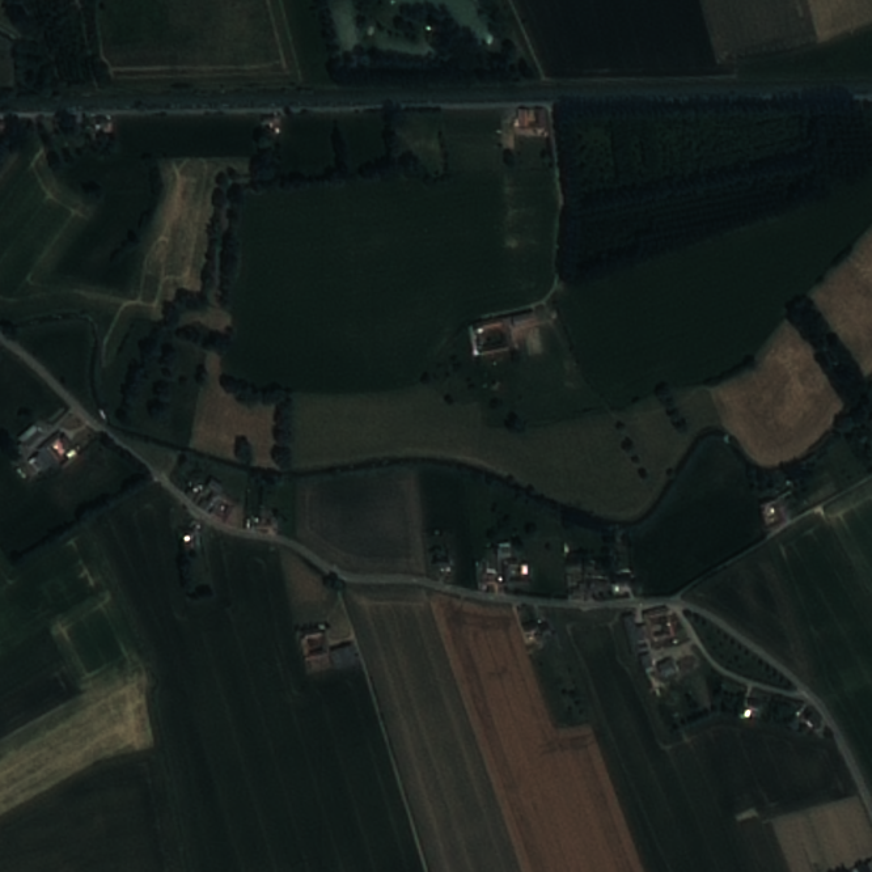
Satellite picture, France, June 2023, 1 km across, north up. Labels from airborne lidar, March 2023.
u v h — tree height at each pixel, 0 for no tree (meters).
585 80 0
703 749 0
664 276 0
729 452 0
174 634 0
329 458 0
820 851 0
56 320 0
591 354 0
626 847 0
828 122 32
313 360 0
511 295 0
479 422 0
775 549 0
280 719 0
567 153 24
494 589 0
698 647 0
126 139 0
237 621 0
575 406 0
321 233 0
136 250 0
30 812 0
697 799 0
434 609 0
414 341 0
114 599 0
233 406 0
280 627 0
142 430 0
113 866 0
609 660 0
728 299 0
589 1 0
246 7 0
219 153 0
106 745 0
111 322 0
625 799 0
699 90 0
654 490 0
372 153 0
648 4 0
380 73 30
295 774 0
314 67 0
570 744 0
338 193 0
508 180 0
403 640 0
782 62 0
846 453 0
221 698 0
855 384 16
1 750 0
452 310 0
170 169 0
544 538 0
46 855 0
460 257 0
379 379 0
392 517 0
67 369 0
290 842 0
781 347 0
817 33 0
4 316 0
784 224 0
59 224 0
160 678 0
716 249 0
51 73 7
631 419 0
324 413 0
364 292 0
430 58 6
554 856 0
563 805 0
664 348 0
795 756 0
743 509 0
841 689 0
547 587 0
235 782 0
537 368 0
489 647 0
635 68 0
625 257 28
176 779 0
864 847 0
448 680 0
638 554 0
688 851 0
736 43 0
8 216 0
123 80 0
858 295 0
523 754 0
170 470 0
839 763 0
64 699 0
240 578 0
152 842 0
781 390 0
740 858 0
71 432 0
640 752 0
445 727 0
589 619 0
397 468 0
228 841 0
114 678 0
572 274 28
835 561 0
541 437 0
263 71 0
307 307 0
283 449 11
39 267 0
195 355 0
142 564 0
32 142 0
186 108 0
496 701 0
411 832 0
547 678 0
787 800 0
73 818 0
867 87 0
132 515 0
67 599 0
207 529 0
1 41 0
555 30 0
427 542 0
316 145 0
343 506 0
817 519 0
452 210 0
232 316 0
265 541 0
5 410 0
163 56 0
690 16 0
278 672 0
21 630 0
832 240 0
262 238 0
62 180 0
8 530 0
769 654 0
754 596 0
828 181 19
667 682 0
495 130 0
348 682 0
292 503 0
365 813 0
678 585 0
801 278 0
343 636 0
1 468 0
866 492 0
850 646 0
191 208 0
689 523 0
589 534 0
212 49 0
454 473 0
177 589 0
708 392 0
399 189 0
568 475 0
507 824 0
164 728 0
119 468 0
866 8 0
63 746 0
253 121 0
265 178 28
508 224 0
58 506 0
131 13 0
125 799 0
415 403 0
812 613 0
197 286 0
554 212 0
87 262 0
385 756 0
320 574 0
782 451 0
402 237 0
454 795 0
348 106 0
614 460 0
